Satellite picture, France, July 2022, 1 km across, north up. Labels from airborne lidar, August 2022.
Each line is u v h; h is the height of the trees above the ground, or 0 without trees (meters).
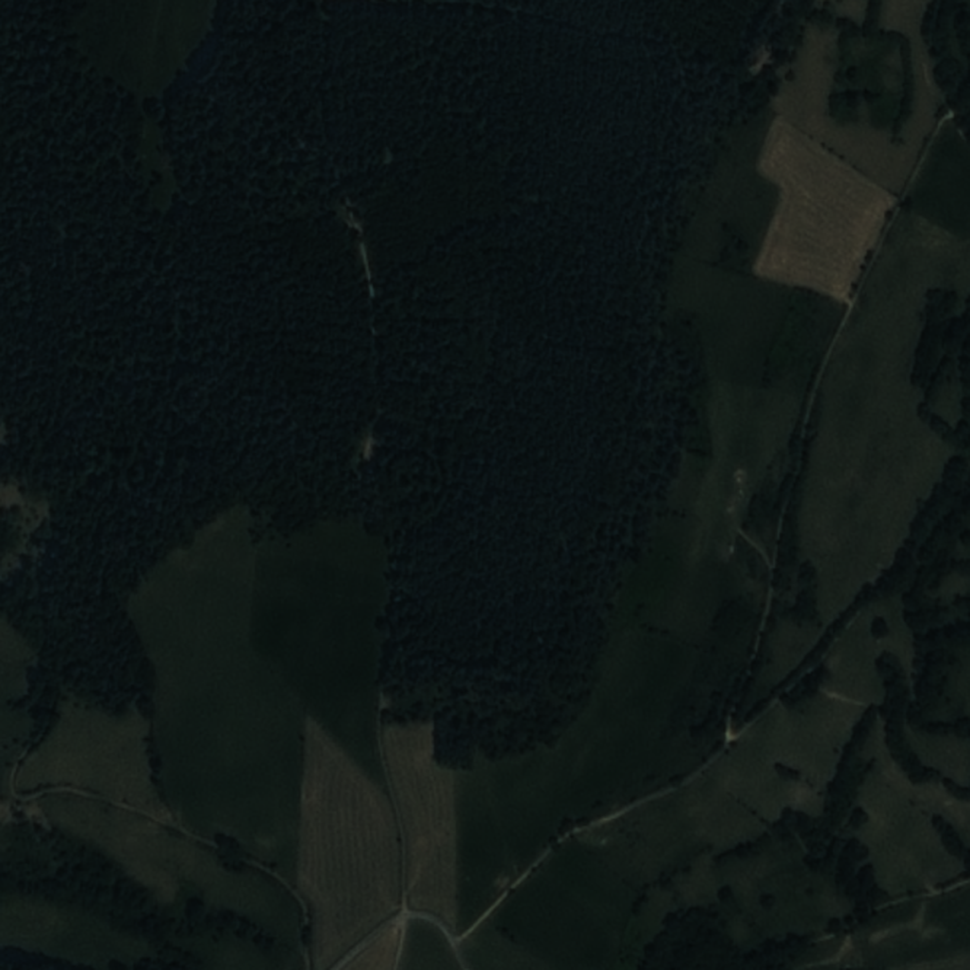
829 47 0
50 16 24
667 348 9
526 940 0
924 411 14
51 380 21
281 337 16
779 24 10
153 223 18
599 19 20
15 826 6
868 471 0
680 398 7
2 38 19
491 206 7
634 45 24
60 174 21
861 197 0
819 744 0
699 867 0
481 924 0
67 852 9
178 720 0
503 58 21
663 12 15
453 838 0
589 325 22
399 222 7
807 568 10
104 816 0
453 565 20
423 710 10
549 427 23
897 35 8
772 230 0
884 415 0
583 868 0
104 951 0
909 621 17
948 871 0
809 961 0
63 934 0
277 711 0
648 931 0
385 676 14
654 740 0
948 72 11
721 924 11
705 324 0
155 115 20
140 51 0
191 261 20
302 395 18
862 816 14
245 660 0
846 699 0
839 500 0
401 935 0
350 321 17
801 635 0
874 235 0
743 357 0
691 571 0
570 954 0
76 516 23
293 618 0
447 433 18
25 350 14
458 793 0
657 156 21
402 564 19
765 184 0
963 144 0
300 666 0
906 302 0
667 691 0
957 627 17
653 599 0
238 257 23
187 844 0
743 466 0
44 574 19
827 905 0
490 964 0
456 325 16
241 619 0
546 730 9
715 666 0
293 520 15
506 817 0
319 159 12
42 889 21
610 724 0
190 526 19
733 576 0
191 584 0
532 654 24
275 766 0
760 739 0
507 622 19
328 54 22
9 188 16
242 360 24
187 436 24
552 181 23
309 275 20
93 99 20
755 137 0
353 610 0
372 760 0
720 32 7
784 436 0
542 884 0
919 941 0
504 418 18
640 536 19
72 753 0
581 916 0
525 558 23
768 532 0
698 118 26
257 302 20
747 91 19
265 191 24
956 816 0
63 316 16
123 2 0
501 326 21
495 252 18
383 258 8
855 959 0
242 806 0
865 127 0
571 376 24
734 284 0
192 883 0
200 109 17
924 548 15
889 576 15
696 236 0
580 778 0
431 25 24
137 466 13
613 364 22
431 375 13
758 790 0
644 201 26
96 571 17
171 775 0
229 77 29
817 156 0
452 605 19
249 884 0
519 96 17
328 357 18
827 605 0
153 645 0
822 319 0
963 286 0
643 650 0
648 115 22
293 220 10
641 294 23
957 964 0
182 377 27
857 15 0
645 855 0
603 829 0
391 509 19
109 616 17
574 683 14
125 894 16
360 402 21
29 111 22
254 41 22
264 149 20
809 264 0
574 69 23
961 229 0
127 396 29
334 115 19
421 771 0
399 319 16
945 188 0
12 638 0
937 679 8
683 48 11
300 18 21
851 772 15
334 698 0
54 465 19
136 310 24
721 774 0
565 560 23
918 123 0
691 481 0
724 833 0
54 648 22
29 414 16
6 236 15
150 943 19
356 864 0
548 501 24
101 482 24
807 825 11
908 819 0
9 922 0
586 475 18
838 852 11
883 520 0
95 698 6
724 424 0
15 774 0
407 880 0
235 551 0
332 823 0
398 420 10
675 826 0
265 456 18
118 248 21
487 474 21
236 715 0
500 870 0
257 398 23
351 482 21
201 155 12
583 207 23
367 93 21
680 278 0
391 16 23
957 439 18
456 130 17
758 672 11
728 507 0
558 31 21
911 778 10
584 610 19
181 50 0
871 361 0
